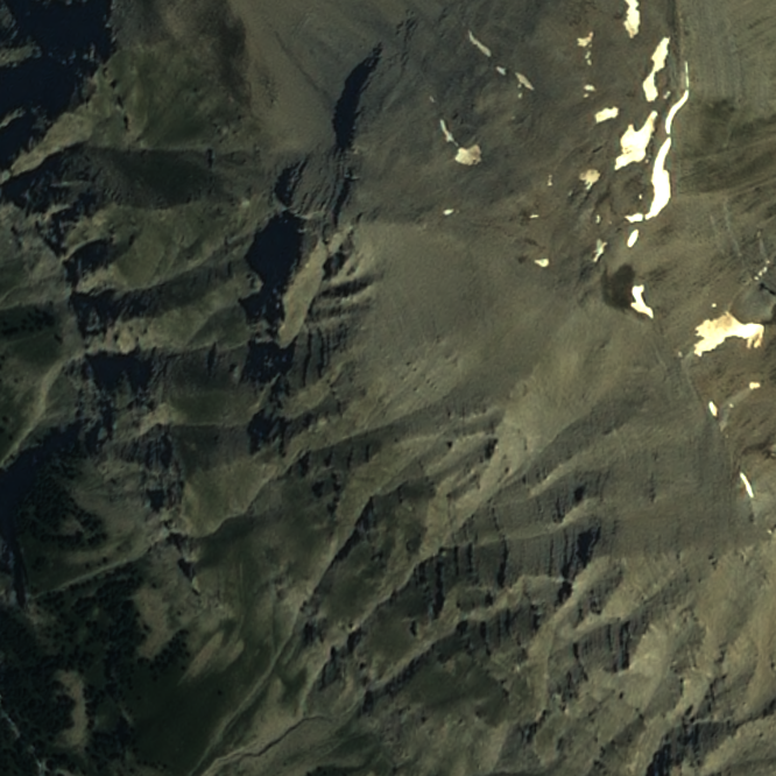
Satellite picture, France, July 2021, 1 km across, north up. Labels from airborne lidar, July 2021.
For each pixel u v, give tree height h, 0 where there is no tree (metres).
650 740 0
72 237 0
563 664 0
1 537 0
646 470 0
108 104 0
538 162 0
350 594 0
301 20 0
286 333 0
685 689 0
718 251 0
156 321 0
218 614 0
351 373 0
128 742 8
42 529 11
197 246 0
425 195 0
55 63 0
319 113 0
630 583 0
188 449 0
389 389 0
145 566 0
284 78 0
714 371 0
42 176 0
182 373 0
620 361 0
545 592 0
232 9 0
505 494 0
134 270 0
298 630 0
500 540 0
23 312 0
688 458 0
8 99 0
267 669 0
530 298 0
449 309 0
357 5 0
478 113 0
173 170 0
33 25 0
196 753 0
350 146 0
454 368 0
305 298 0
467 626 0
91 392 0
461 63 0
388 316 0
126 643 7
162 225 0
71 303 0
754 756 0
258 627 0
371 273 0
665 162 0
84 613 11
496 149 0
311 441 0
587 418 0
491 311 0
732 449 0
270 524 0
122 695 8
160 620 0
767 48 0
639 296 0
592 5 0
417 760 0
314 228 0
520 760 0
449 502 0
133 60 0
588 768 0
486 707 0
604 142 0
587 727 0
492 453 0
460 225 0
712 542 0
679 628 0
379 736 0
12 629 11
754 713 0
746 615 0
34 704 15
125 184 0
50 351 0
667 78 0
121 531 0
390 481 0
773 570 0
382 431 0
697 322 0
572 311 0
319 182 0
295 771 0
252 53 0
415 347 0
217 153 0
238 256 0
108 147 0
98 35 0
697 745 0
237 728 0
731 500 0
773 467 0
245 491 0
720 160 0
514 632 0
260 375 0
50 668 13
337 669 0
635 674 0
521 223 0
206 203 0
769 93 0
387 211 0
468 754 0
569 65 0
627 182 0
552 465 0
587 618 0
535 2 0
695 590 0
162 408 0
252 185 0
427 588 0
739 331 0
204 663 0
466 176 0
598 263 0
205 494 0
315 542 0
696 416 0
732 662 0
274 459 0
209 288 0
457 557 0
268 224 0
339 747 0
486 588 0
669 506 0
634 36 0
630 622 0
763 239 0
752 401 0
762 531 0
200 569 0
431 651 0
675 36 0
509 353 0
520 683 0
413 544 0
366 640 0
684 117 0
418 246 0
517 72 0
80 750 0
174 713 0
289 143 0
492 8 0
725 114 0
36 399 0
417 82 0
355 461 0
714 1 0
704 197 0
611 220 0
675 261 0
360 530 0
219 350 0
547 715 0
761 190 0
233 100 0
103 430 0
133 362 0
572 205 0
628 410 0
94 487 0
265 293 0
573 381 0
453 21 0
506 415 0
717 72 0
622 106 0
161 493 0
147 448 0
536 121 0
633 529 0
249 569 0
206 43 0
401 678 0
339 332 0
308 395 0
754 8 0
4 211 0
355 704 0
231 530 0
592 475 0
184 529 0
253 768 0
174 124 0
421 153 0
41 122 0
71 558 0
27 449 0
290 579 0
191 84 0
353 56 0
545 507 0
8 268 0
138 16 0
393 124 0
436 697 0
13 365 0
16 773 10
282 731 0
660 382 0
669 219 0
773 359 0
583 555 0
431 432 0
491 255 0
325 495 0
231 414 0
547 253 0
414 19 0
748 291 0
